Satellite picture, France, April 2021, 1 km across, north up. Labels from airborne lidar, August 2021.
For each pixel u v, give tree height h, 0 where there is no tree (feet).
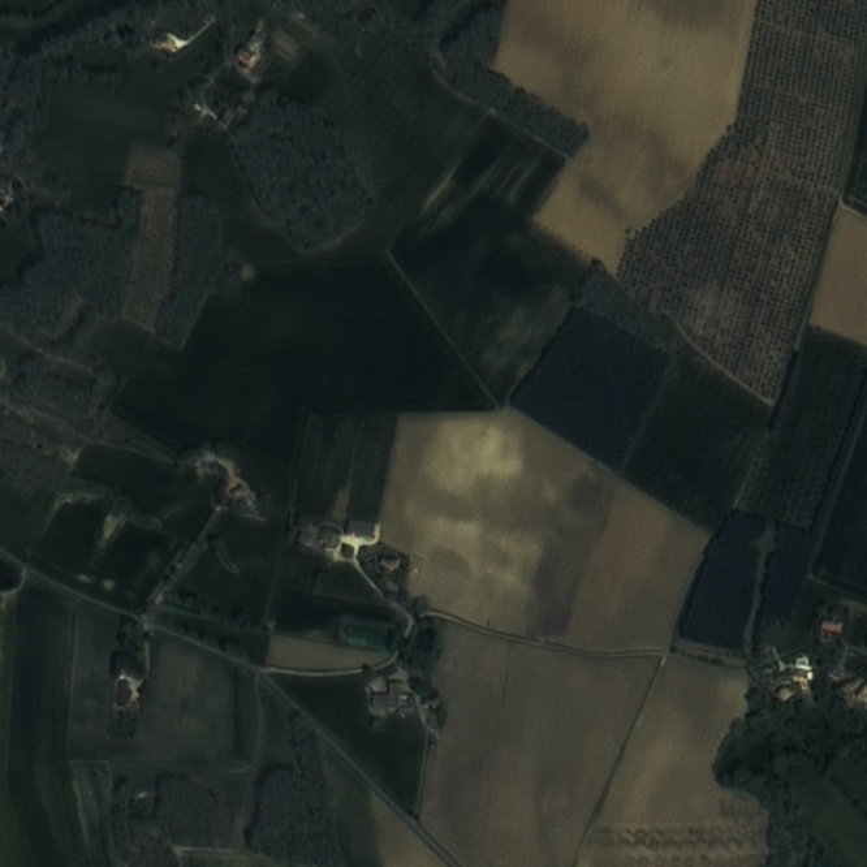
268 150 62
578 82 0
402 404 0
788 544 43
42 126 28
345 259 0
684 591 0
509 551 0
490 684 0
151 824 47
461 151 0
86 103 0
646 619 0
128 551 0
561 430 41
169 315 52
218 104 21
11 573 0
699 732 0
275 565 0
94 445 0
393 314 0
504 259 0
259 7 0
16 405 45
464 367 0
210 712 0
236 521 0
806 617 0
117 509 51
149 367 0
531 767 0
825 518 39
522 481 0
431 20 67
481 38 73
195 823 52
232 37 51
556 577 0
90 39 59
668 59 0
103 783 0
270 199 61
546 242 0
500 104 62
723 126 0
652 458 22
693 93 0
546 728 0
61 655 0
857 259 0
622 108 0
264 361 0
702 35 0
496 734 0
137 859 36
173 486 0
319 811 68
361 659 0
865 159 0
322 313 0
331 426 0
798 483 33
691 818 0
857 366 26
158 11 52
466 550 0
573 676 0
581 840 0
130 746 0
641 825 0
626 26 0
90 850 0
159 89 0
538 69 0
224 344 0
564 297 0
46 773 0
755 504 28
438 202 0
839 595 0
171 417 0
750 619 46
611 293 61
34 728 0
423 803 0
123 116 0
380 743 0
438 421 0
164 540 0
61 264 66
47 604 0
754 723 52
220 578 0
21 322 59
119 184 0
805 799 0
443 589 0
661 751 0
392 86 26
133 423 0
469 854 0
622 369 44
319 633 0
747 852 0
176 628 0
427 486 0
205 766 0
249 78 0
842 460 35
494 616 0
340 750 0
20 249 0
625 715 0
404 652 67
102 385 38
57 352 52
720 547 42
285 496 0
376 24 41
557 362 46
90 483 46
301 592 0
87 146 0
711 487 0
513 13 0
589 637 0
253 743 0
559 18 0
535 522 0
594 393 48
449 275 0
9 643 0
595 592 0
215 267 61
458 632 0
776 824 48
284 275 0
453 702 0
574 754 0
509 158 0
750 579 48
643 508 0
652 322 63
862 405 34
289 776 70
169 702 0
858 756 57
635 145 0
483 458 0
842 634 21
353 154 19
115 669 43
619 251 0
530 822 0
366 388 0
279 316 0
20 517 0
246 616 43
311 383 0
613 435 41
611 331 46
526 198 0
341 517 0
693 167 0
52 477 58
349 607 0
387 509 0
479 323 0
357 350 0
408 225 0
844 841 0
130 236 47
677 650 24
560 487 0
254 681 0
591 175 0
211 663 0
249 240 0
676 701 0
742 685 0
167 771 0
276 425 0
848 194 0
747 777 72
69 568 0
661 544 0
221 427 0
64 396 55
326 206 59
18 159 39
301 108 70
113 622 0
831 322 0
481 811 0
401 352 0
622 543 0
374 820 0
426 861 0
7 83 52
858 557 0
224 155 0
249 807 0
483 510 0
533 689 0
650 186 0
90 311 49
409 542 0
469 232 0
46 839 0
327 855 65
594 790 0
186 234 48
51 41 60
